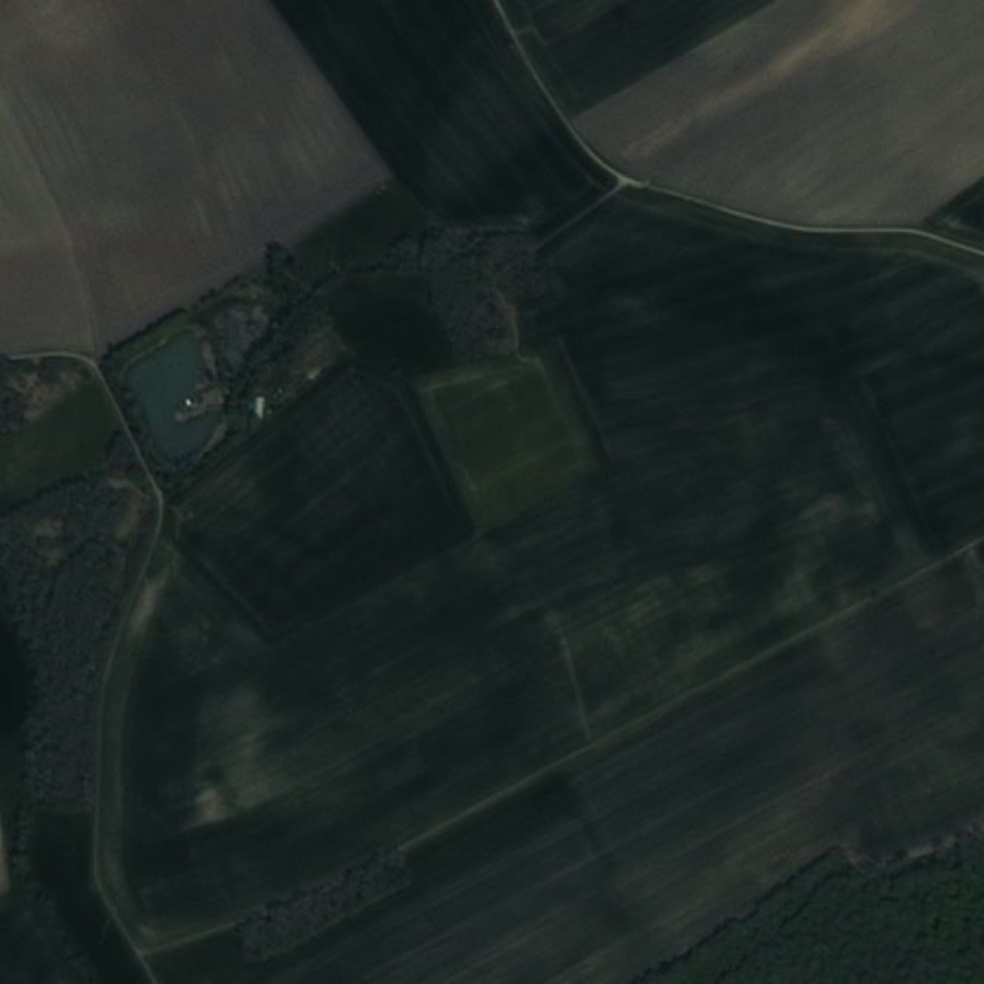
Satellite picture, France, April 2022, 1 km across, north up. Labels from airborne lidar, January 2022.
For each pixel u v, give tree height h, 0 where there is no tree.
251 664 0
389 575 0
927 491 0
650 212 0
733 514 0
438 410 0
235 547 0
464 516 0
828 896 21
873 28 0
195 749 0
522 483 0
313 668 0
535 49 0
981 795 0
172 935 0
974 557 0
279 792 0
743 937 12
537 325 0
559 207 0
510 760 0
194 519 0
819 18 0
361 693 0
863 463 0
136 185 0
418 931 0
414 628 0
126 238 0
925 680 0
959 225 0
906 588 0
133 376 0
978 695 0
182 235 0
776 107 0
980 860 21
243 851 0
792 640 0
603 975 0
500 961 0
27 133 0
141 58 0
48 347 0
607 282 0
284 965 0
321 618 0
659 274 0
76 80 0
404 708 0
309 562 0
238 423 14
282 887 0
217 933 0
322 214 0
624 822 0
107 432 0
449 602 0
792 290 0
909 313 0
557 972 0
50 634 12
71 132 0
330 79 0
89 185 0
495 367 0
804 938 23
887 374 0
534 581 0
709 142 0
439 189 0
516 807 0
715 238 0
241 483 0
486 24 0
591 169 0
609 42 0
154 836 0
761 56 0
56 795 18
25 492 0
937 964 22
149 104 0
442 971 0
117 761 0
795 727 0
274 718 0
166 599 0
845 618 0
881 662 0
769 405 0
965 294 0
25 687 0
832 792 0
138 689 0
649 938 0
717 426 0
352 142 0
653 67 0
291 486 0
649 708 0
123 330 0
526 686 0
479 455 0
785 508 0
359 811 0
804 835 0
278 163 0
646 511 0
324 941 0
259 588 0
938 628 0
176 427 0
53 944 0
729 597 0
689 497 0
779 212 0
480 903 0
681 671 0
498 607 0
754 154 0
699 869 0
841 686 0
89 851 0
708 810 0
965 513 0
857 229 0
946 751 0
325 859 0
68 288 0
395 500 0
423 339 0
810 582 0
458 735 0
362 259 0
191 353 0
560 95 0
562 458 0
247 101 0
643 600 0
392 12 0
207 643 0
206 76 0
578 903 0
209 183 0
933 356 0
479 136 0
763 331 0
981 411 0
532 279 18
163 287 0
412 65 0
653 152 0
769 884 0
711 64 0
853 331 0
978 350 0
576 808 0
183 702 0
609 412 0
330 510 0
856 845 0
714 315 0
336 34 0
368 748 0
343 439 0
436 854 0
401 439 0
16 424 11
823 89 0
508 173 0
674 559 0
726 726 0
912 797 0
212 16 0
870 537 0
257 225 0
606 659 0
